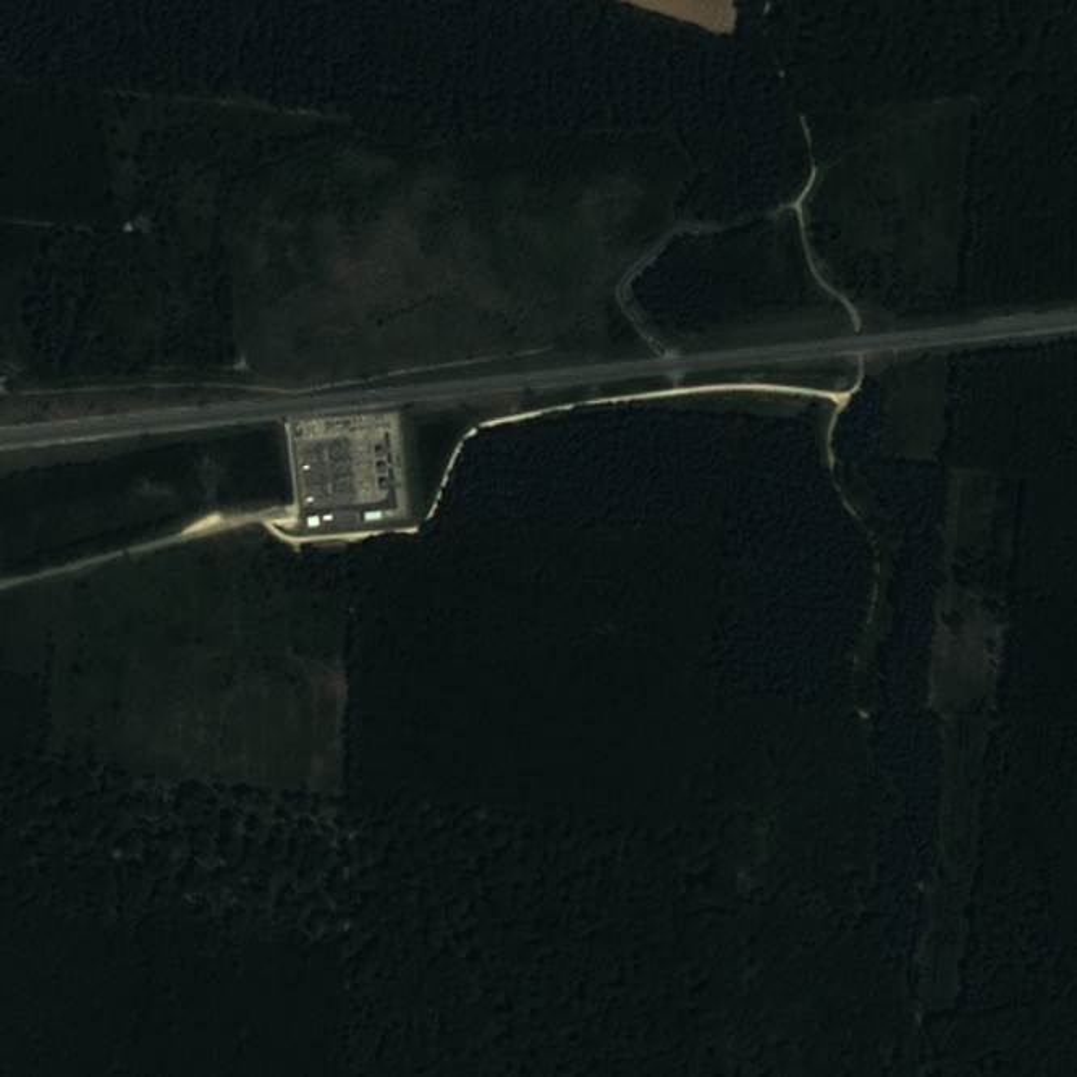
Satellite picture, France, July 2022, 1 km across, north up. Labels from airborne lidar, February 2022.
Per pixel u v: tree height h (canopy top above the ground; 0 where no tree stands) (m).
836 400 0
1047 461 19
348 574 10
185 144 7
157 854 18
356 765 15
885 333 0
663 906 20
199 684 0
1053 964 6
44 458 0
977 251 18
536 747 14
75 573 0
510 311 0
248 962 7
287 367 0
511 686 15
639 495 23
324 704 0
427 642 17
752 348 0
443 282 0
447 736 14
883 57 20
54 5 25
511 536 15
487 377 0
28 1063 9
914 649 24
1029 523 15
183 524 0
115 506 0
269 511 0
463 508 23
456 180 0
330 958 7
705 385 0
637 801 11
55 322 18
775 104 24
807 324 0
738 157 18
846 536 24
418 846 25
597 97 24
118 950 9
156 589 0
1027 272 16
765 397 0
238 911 18
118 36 16
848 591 21
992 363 15
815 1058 20
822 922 19
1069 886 11
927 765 20
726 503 19
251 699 0
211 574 0
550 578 14
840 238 12
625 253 0
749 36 18
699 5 0
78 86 17
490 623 15
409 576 16
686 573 12
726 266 15
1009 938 11
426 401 0
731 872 16
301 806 22
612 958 20
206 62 18
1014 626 22
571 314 0
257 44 25
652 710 12
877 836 14
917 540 24
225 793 23
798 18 20
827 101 20
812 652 22
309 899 18
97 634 0
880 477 22
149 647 0
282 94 23
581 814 12
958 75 20
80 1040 10
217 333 18
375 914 16
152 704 0
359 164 0
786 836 16
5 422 0
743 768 22
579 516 21
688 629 11
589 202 0
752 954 15
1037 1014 23
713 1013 21
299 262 0
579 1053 23
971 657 0
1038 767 9
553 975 20
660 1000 21
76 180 8
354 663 12
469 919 25
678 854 23
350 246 0
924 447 0
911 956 22
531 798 14
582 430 23
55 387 0
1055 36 20
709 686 13
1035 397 16
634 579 15
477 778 12
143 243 19
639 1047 22
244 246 0
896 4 18
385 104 24
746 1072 24
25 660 0
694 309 20
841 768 18
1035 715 20
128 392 0
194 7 26
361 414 0
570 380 0
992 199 16
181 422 0
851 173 0
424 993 22
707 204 15
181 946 8
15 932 11
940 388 0
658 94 26
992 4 17
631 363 0
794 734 20
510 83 17
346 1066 6
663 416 14
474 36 24
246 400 0
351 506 0
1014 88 22
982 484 0
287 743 0
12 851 19
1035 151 12
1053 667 23
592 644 13
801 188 0
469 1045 23
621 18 25
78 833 22
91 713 0
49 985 11
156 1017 7
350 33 24
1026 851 16
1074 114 23
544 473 24
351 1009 8
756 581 21
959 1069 21
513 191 0
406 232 0
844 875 17
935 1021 20
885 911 19
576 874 14
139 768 0
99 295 16
